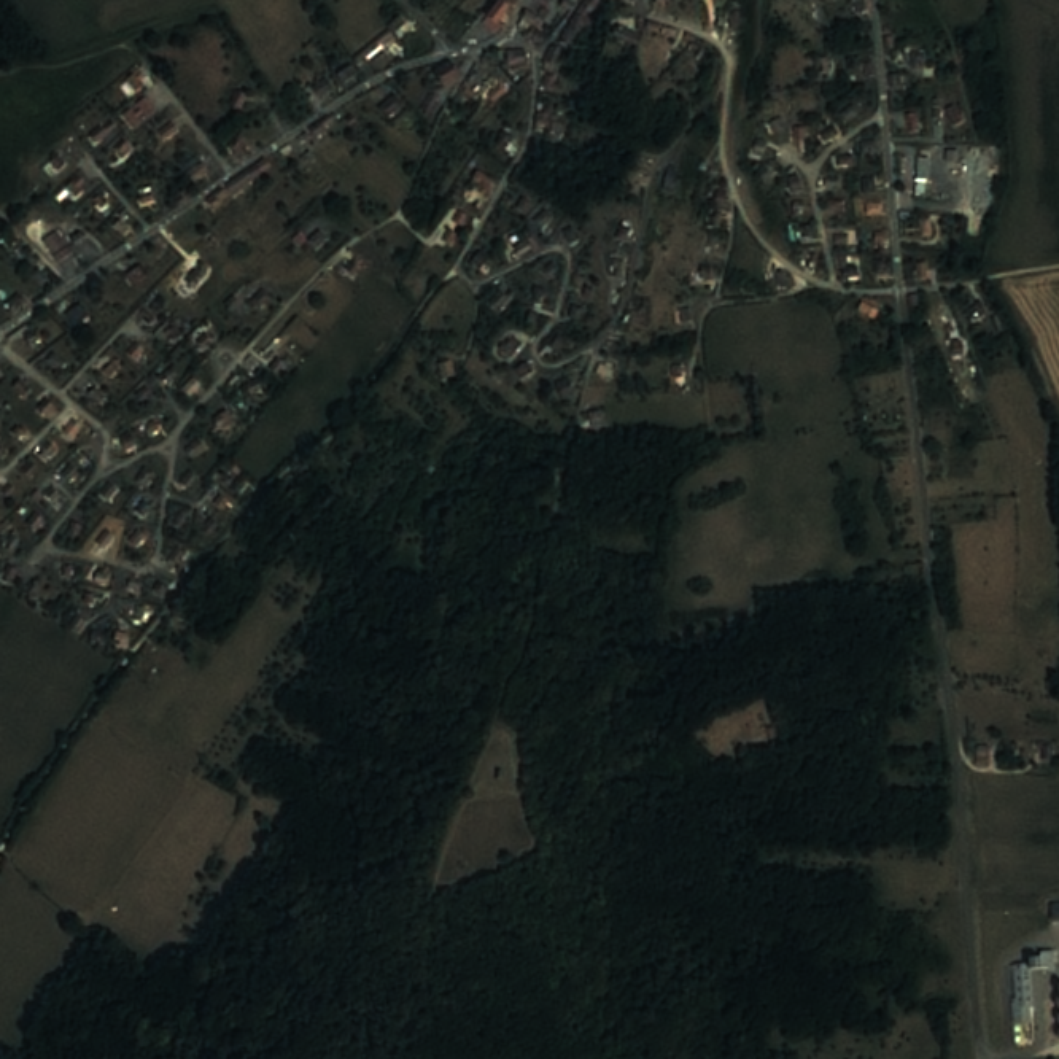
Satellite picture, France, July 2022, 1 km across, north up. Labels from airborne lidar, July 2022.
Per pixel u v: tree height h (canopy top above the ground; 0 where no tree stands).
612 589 24
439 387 7
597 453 24
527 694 8
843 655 24
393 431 7
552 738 21
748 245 0
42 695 0
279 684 10
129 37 0
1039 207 0
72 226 0
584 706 23
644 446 21
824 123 6
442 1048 24
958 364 0
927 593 14
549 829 18
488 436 7
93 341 17
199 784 0
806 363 0
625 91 11
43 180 0
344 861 23
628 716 23
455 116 7
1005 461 0
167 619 6
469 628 18
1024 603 0
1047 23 0
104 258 0
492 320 6
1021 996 0
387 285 0
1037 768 11
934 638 0
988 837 0
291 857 22
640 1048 22
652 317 0
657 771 15
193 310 0
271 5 0
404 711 19
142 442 0
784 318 0
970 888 0
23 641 0
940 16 0
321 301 11
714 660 25
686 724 21
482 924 17
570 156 17
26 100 0
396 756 23
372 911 28
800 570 0
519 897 18
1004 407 0
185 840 0
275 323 0
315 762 8
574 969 25
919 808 18
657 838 25
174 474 0
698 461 13
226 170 0
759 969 17
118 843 0
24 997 0
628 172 14
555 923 16
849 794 23
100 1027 22
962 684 6
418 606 24
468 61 0
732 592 0
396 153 0
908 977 15
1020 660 0
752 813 21
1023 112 0
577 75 14
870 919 26
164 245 0
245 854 0
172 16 0
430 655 16
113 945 25
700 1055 27
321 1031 24
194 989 21
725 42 0
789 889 23
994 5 7
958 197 0
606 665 28
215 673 0
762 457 0
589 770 23
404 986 19
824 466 0
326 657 20
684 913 26
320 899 25
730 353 0
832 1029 16
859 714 21
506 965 16
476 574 10
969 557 0
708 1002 29
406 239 0
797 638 24
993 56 14
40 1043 18
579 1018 25
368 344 0
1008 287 0
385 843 30
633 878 26
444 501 16
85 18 0
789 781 18
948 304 7
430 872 9
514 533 17
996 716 0
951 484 0
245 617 7
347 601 10
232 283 0
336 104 0
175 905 0
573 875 18
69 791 0
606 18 8
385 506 6
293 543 13
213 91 0
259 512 19
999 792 0
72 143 0
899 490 0
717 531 0
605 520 22
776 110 0
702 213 7
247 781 8
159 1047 20
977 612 0
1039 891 0
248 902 22
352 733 23
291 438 0
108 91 0
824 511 0
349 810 14
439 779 23
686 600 0
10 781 0
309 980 17
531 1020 25
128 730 0
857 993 15
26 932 0
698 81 10
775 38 9
